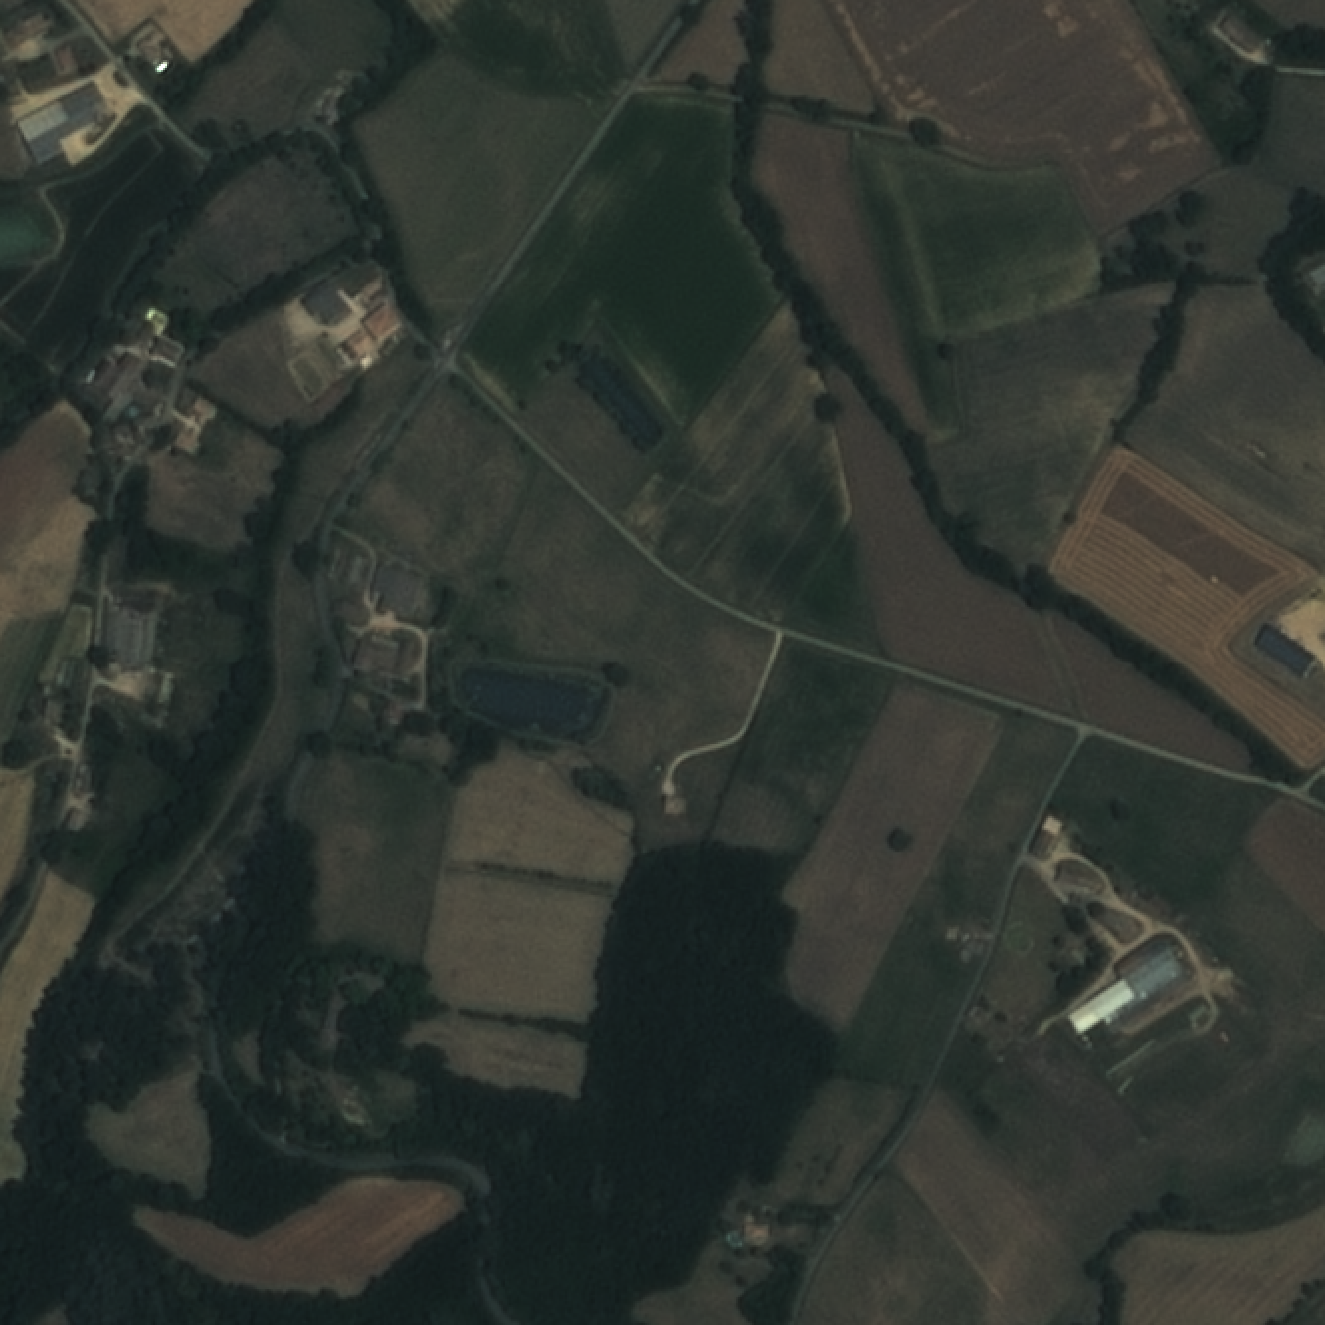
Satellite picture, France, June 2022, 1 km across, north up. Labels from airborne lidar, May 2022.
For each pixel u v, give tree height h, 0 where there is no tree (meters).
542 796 0
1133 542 0
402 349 0
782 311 0
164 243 13
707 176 0
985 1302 0
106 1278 22
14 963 0
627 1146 18
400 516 0
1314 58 15
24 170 0
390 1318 14
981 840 0
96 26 0
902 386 0
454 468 0
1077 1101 0
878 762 0
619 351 0
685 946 15
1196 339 0
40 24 0
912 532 0
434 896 0
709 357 0
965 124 0
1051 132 0
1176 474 0
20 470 0
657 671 0
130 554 10
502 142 0
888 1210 0
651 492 0
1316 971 0
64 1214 17
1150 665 18
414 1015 21
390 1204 0
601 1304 14
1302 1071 0
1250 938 0
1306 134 0
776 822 0
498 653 0
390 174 0
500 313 0
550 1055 0
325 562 7
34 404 15
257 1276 0
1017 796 0
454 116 0
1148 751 0
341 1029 15
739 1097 18
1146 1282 0
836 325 9
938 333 0
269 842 26
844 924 0
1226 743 0
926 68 0
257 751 0
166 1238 0
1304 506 0
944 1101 0
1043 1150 0
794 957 0
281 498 8
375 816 0
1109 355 0
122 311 10
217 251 0
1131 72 0
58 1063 20
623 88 0
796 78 0
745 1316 8
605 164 0
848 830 0
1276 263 16
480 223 0
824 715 0
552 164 0
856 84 0
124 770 0
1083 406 0
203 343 14
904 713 0
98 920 13
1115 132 0
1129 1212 0
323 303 0
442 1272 13
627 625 0
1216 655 0
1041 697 0
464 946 0
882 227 0
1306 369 0
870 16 0
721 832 0
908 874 0
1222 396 0
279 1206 9
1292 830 0
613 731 0
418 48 26
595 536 0
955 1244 0
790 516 0
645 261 0
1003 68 0
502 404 0
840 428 0
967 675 0
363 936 0
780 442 0
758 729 0
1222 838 0
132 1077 19
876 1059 0
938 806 0
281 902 24
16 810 0
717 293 0
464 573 0
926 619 0
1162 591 0
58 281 0
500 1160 16
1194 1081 0
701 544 0
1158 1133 0
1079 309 0
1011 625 0
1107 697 0
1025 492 0
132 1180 18
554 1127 13
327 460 0
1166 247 12
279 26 0
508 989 0
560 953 0
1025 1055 0
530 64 0
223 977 18
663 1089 17
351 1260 0
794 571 0
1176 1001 0
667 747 0
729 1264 7
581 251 0
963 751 0
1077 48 0
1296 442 0
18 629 0
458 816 0
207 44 0
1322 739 0
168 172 0
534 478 0
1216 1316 0
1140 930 0
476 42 0
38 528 0
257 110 0
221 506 0
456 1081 16
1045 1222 0
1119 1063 0
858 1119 0
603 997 14
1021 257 0
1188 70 0
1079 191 0
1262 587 0
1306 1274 0
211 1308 14
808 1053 17
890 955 0
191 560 8
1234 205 0
